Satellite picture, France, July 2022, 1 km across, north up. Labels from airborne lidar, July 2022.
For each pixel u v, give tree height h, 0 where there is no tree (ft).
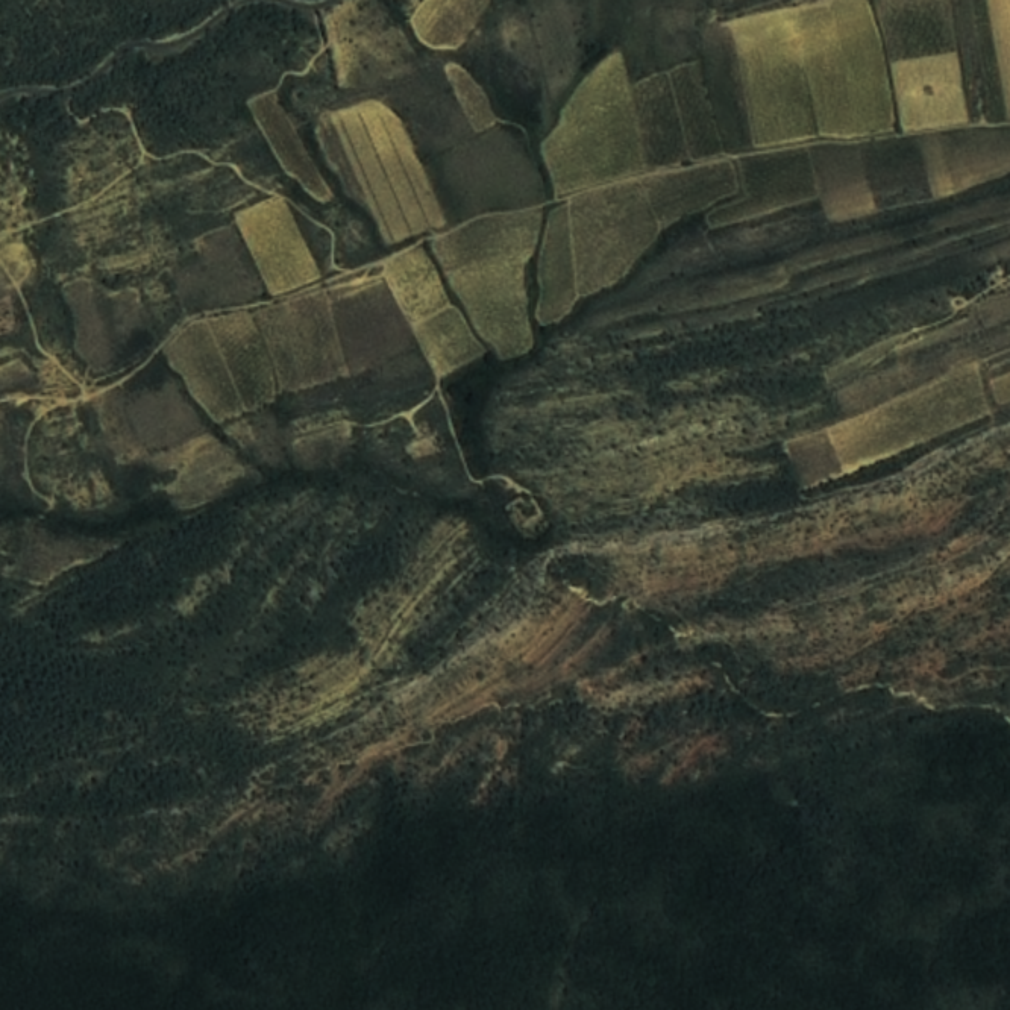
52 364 0
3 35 26
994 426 0
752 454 19
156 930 23
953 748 25
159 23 28
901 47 0
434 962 22
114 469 0
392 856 26
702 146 0
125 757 35
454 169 0
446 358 0
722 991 20
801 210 0
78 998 20
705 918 31
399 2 24
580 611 0
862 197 0
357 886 23
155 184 0
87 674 23
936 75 0
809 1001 20
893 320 0
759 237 0
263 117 0
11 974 23
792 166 0
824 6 0
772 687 22
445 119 0
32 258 0
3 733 47
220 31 25
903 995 21
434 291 0
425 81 0
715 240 0
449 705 0
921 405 0
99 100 28
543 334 36
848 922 19
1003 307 0
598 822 32
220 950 23
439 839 19
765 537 0
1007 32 0
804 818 39
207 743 22
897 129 20
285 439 0
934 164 0
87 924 21
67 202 0
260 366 0
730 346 27
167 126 21
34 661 21
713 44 0
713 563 0
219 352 0
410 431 0
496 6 0
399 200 0
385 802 17
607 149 0
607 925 24
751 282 0
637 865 23
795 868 31
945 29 0
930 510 0
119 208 0
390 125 0
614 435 0
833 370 0
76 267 0
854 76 0
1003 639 0
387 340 0
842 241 0
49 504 0
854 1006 25
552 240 0
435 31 0
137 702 22
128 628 0
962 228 0
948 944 26
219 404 0
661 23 0
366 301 0
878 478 19
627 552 0
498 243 0
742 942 30
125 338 0
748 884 22
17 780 20
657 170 0
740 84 0
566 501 0
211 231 0
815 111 0
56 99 45
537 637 0
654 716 42
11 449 0
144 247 0
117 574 23
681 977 22
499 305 0
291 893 23
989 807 22
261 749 21
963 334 0
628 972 25
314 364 0
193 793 21
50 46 24
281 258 0
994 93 0
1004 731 20
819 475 0
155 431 0
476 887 27
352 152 0
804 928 21
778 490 26
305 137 0
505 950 23
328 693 0
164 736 22
